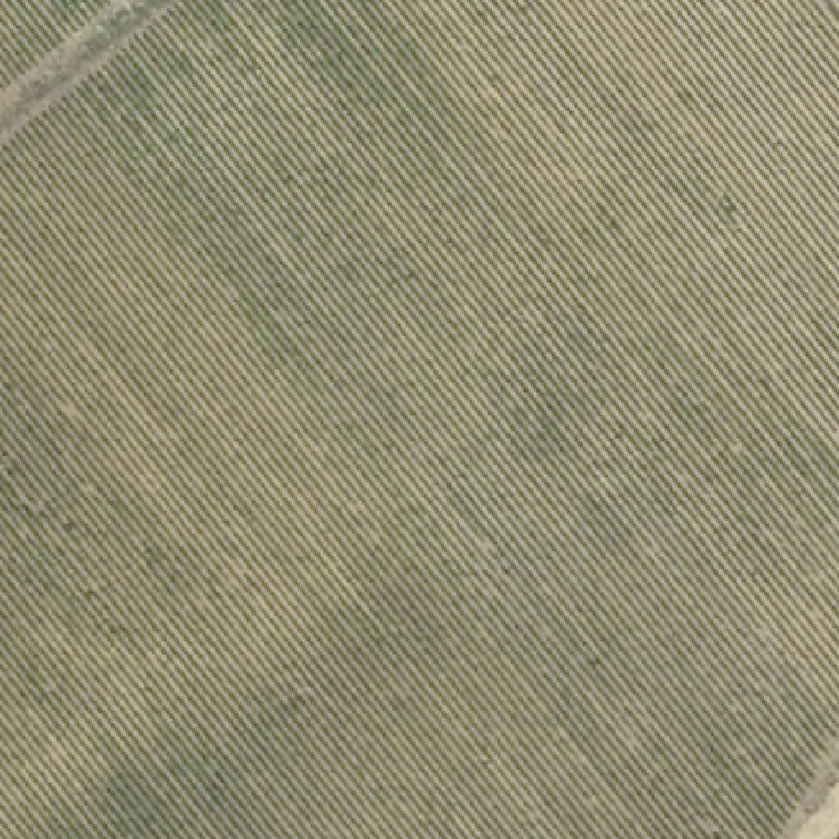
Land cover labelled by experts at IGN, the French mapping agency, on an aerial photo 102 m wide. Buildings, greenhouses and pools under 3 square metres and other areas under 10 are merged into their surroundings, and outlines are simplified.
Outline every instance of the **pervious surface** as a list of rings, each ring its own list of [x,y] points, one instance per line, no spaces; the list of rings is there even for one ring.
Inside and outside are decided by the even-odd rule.
[[[796,839],[839,839],[839,783],[829,793],[826,806],[803,823]]]

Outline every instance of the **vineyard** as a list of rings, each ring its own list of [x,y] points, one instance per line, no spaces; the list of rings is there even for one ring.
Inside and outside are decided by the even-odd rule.
[[[803,823],[826,806],[829,793],[839,783],[839,0],[0,0],[0,839],[796,839]]]

